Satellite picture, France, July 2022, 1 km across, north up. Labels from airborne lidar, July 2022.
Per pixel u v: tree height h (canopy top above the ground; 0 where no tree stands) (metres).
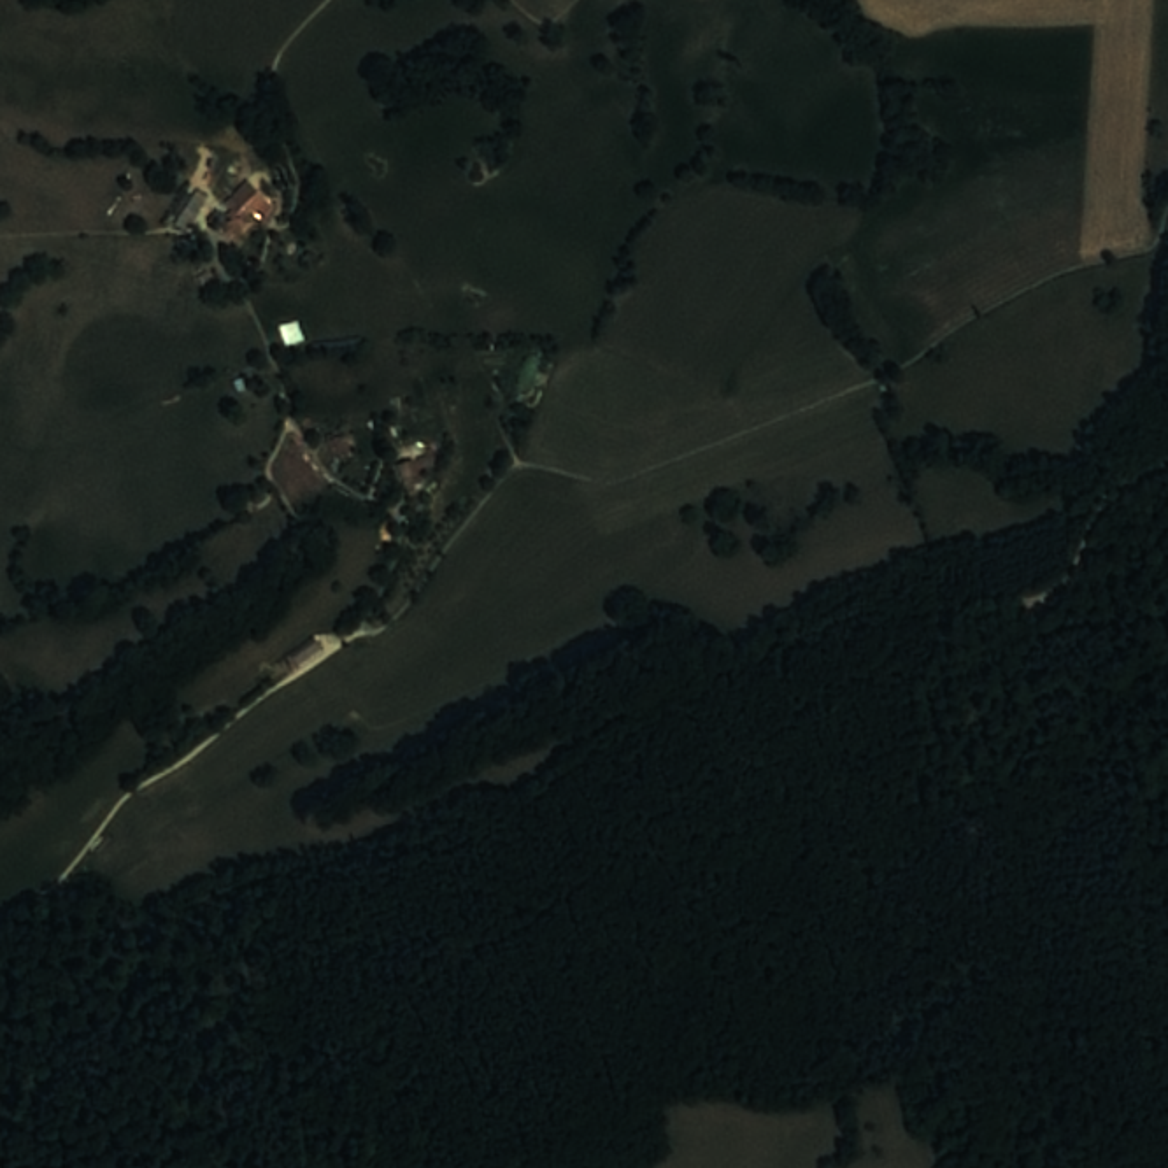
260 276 8
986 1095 27
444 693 0
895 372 19
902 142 19
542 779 16
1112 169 0
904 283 0
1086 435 11
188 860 0
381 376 0
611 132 0
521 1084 20
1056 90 0
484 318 0
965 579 18
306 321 0
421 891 25
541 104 0
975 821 23
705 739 19
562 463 0
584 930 18
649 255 0
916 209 0
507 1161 21
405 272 0
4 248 0
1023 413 0
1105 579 7
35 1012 34
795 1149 0
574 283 0
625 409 0
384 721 0
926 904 26
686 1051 22
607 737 16
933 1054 21
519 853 19
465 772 26
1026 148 0
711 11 0
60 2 21
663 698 20
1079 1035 31
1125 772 16
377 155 0
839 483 0
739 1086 16
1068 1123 34
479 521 0
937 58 0
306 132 0
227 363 0
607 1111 18
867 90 0
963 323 0
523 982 22
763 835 15
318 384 0
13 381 0
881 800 22
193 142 0
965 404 0
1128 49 0
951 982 19
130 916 12
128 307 0
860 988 23
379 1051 22
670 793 20
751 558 0
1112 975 30
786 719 18
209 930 33
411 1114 16
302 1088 19
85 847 0
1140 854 26
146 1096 25
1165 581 29
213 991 31
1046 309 0
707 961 14
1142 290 0
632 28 20
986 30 0
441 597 0
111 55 0
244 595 18
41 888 0
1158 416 12
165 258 0
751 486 8
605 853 16
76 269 0
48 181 0
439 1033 21
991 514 0
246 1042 13
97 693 21
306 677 0
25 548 9
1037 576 23
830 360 0
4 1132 29
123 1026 26
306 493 0
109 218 0
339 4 0
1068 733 24
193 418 0
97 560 0
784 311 0
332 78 0
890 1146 0
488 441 0
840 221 0
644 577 0
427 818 21
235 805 0
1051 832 25
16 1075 29
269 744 0
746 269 0
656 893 15
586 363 0
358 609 13
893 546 0
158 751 20
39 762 33
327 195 22
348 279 0
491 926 20
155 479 0
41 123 0
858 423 0
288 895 23
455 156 0
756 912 15
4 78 0
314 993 21
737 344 0
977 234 0
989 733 22
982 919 22
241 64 0
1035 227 0
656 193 13
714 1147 0
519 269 0
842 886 23
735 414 0
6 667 0
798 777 16
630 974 20
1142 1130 25
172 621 15
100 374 0
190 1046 34
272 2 0
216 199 0
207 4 0
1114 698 15
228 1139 22
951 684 20
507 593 0
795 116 0
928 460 15
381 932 24
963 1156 18
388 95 22
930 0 0
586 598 0
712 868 15
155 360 0
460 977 23
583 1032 22
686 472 0
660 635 35
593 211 0
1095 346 0
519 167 0
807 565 0
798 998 15
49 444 0
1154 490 23
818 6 13
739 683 29
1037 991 27
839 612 18
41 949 34
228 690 0
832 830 21
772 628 17
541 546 0
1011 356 0
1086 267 0
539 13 0
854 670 22
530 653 0
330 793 23
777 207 0
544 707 34
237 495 19
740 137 0
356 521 8
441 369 0
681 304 0
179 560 21
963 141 0
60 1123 32
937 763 20
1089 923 28
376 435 6
